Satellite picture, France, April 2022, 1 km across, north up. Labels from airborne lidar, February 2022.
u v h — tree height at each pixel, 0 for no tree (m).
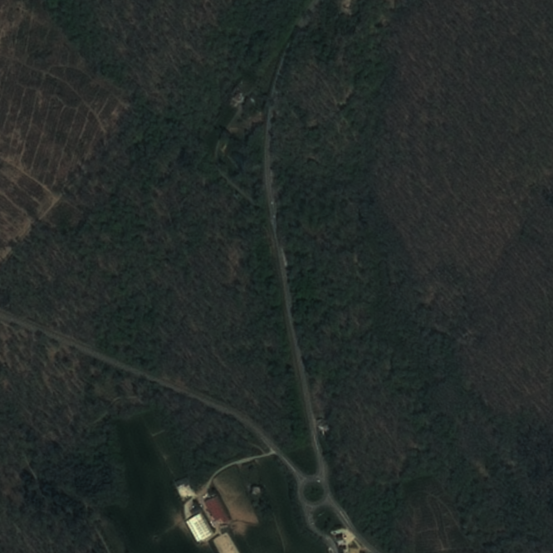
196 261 28
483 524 16
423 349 7
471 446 21
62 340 0
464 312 21
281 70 0
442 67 22
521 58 25
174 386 0
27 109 0
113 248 24
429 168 0
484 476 0
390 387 31
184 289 30
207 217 28
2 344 26
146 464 0
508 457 12
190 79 27
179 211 26
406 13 25
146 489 0
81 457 27
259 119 28
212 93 28
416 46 0
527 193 31
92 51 24
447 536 0
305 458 0
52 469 26
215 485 0
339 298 29
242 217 24
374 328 7
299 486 0
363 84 24
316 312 28
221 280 29
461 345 27
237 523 0
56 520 27
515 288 24
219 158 0
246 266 0
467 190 0
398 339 8
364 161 24
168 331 26
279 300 26
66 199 28
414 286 25
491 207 0
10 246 0
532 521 21
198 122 28
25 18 0
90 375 27
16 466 29
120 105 0
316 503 0
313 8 0
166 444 0
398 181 0
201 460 25
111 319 23
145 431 0
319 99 25
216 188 21
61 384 26
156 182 25
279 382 31
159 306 28
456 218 0
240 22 26
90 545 7
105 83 0
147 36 20
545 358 22
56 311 26
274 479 0
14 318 0
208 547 0
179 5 22
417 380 21
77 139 0
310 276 28
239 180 26
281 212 7
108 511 0
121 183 25
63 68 0
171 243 29
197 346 27
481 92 27
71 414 27
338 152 25
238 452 32
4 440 29
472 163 0
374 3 27
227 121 0
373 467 34
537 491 26
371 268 24
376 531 22
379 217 24
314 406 0
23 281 27
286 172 20
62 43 0
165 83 29
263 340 29
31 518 29
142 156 33
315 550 0
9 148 0
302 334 27
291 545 0
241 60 29
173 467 0
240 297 28
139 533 0
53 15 27
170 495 0
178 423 23
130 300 27
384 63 18
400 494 33
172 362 25
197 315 28
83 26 24
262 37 24
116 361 0
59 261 31
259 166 27
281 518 0
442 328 23
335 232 29
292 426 26
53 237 29
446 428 27
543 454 23
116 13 23
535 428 21
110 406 29
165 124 22
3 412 26
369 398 29
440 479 25
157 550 0
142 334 29
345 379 30
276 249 0
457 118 0
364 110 24
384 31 26
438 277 18
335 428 28
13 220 0
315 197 26
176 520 0
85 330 26
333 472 0
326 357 31
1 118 0
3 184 0
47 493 38
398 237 30
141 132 25
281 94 18
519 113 28
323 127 28
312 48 28
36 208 0
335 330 30
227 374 27
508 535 11
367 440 30
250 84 0
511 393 25
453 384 27
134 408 21
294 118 28
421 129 23
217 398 0
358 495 28
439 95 23
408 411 30
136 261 24
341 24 8
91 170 26
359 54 24
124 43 26
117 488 28
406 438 30
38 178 0
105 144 0
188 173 26
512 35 0
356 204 23
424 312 23
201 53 29
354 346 28
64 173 0
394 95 26
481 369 18
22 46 0
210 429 32
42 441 23
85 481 28
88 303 25
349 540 0
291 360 21
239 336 25
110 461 28
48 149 0
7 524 26
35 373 26
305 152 25
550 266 27
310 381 0
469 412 22
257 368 29
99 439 26
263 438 0
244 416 0
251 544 0
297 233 30
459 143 0
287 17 28
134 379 20
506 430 22
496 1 27
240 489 0
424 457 26
